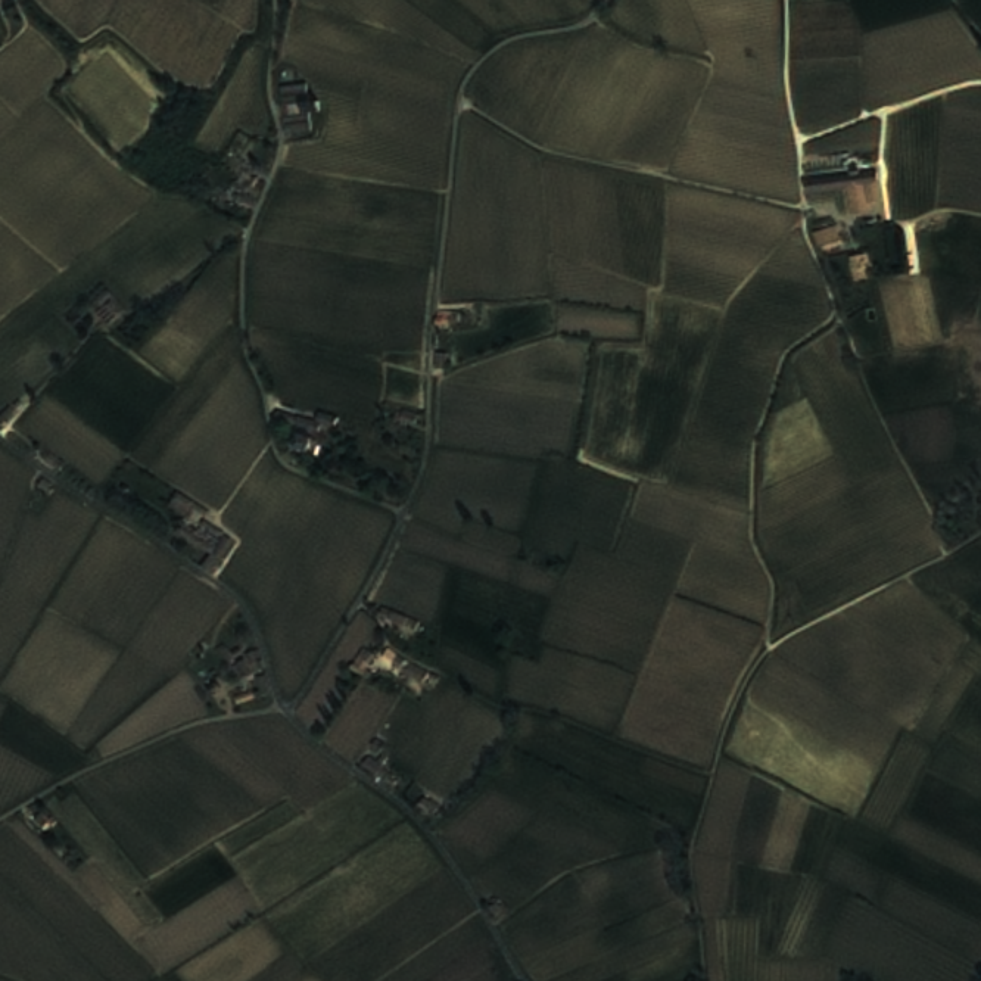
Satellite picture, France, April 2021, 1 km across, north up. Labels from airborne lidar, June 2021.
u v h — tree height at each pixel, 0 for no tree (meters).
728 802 0
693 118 0
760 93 0
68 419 0
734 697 0
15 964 0
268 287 0
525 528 0
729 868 0
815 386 0
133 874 0
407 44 0
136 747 0
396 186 0
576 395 0
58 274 0
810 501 0
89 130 0
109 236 0
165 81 15
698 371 0
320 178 0
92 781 0
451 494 0
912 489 0
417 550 0
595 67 0
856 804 0
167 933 0
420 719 0
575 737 0
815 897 0
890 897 0
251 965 0
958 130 0
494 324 0
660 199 0
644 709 0
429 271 0
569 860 0
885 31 0
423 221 0
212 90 10
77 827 0
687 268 0
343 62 0
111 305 0
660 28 0
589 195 0
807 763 0
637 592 0
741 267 0
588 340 11
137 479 0
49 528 0
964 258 0
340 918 0
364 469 12
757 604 0
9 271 0
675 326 0
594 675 0
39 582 0
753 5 0
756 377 0
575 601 0
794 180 0
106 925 0
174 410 0
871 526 0
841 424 0
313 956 0
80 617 0
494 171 0
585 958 0
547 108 0
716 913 0
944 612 0
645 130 0
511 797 0
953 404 0
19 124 0
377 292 0
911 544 0
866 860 0
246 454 0
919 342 0
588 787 0
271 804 0
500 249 0
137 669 0
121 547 0
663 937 0
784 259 0
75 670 0
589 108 0
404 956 0
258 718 0
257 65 0
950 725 0
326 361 0
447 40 0
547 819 0
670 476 0
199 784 0
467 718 0
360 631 0
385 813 0
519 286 0
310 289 0
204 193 15
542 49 0
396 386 0
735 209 0
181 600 0
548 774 0
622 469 0
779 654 0
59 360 12
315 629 0
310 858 0
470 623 0
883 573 0
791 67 0
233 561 0
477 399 0
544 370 0
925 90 0
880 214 0
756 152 0
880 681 0
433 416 0
